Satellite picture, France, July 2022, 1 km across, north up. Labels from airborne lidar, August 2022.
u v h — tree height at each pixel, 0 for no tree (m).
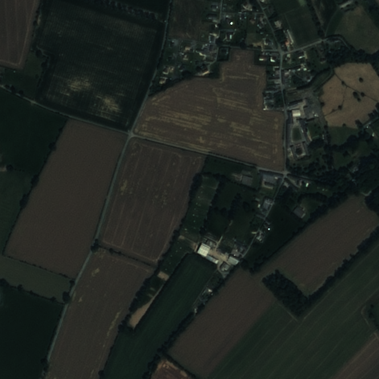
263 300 0
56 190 0
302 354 0
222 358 0
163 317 0
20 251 0
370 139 23
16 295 0
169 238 0
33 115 0
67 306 0
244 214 0
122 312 0
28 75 0
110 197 0
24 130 0
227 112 0
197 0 0
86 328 0
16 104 0
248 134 0
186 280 0
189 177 0
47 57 8
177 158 0
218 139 0
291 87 0
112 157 0
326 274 0
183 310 0
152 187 0
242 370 0
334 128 0
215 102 0
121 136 0
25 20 0
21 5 0
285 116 0
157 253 0
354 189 23
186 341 0
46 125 0
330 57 18
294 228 0
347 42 6
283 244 7
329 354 0
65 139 0
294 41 0
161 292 9
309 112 0
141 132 0
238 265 12
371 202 28
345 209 0
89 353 0
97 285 0
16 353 0
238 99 0
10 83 0
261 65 0
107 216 0
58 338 0
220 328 0
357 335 0
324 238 0
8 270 0
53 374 0
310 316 0
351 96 0
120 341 0
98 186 0
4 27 0
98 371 0
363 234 0
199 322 0
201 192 0
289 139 0
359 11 0
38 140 0
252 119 0
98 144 0
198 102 0
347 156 19
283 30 6
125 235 0
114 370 0
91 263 0
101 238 0
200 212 0
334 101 0
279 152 0
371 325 0
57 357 0
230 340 0
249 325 0
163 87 11
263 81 0
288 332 0
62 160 0
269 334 0
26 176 0
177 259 0
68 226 0
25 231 0
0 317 0
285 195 15
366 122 0
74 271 0
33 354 0
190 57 0
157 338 0
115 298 0
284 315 0
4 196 0
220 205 0
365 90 0
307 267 0
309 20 0
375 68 11
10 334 0
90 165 0
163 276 0
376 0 0
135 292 0
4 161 0
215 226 0
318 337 0
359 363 0
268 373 0
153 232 0
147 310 8
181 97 0
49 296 0
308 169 7
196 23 0
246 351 0
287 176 7
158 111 0
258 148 0
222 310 0
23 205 15
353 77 0
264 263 7
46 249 0
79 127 0
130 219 0
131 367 0
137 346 0
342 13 0
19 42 0
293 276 0
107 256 0
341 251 0
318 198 15
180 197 0
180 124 0
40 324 0
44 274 0
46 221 0
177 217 0
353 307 0
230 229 0
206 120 0
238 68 0
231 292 0
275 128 0
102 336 0
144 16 27
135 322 0
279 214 0
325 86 0
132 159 0
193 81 0
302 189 0
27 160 0
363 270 0
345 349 0
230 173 0
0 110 0
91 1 24
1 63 0
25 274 0
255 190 11
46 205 0
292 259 0
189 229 0
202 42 0
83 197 0
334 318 0
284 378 0
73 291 0
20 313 0
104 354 0
